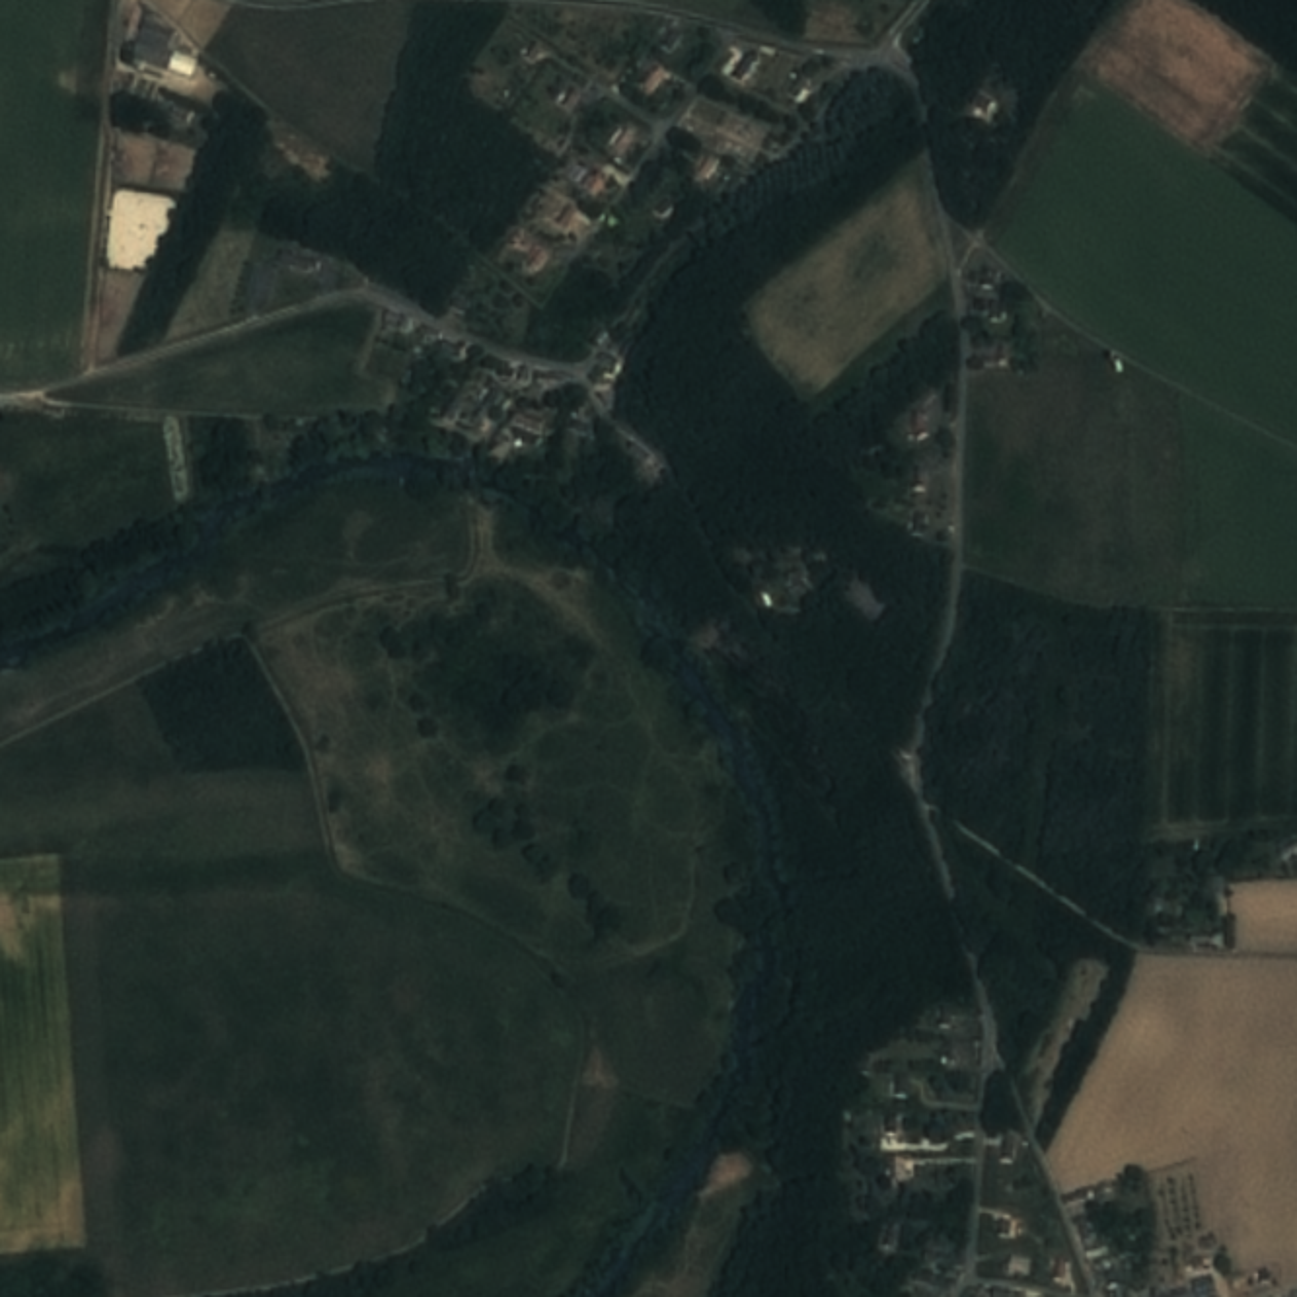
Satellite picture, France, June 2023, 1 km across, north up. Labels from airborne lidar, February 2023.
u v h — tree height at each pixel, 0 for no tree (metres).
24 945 0
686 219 16
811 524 15
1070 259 0
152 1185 0
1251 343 0
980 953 12
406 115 10
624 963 0
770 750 13
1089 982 0
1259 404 0
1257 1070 0
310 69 0
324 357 0
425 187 9
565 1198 0
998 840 7
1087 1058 13
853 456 17
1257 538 0
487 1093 0
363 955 0
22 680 0
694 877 0
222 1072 0
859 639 19
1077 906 6
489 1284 0
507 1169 0
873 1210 20
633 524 23
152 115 15
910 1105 8
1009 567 0
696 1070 0
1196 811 0
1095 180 0
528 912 0
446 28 7
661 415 15
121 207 0
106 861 0
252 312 0
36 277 0
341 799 0
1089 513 0
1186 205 0
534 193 7
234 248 0
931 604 10
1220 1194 0
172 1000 0
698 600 16
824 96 6
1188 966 0
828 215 20
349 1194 0
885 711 17
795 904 20
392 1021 0
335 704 0
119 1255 0
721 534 14
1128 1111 0
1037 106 16
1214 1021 0
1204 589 0
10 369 0
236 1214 0
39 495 0
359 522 0
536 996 0
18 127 0
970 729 15
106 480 0
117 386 0
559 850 0
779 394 17
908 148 18
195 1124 0
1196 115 0
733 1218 0
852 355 0
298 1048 0
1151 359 0
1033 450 0
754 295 17
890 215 0
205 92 0
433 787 0
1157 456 0
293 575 0
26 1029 0
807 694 17
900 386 19
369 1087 0
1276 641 0
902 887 17
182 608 0
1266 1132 0
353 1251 0
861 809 13
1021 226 0
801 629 20
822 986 14
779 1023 20
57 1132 0
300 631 0
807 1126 23
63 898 0
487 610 13
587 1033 0
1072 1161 0
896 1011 23
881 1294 10
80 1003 0
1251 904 0
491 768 0
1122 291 0
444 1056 0
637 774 0
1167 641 0
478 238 11
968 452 0
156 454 0
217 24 0
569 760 0
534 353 6
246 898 0
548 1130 0
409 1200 0
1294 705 0
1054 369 0
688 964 0
